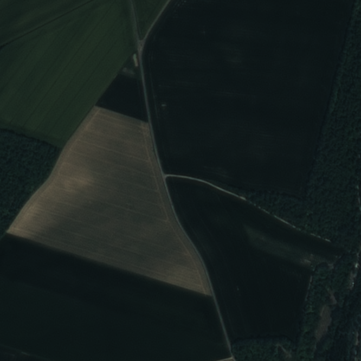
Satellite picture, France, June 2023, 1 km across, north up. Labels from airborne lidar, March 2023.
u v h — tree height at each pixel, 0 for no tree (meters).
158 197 0
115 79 0
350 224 23
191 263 0
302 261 0
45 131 0
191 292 0
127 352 0
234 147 0
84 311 0
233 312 0
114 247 0
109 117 0
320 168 8
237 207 0
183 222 0
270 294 0
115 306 0
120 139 0
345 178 23
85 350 0
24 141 16
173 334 0
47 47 0
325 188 16
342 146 11
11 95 0
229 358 0
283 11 0
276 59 0
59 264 0
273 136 0
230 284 0
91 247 0
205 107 0
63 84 0
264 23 0
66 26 0
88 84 0
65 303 0
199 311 0
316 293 15
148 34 0
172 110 0
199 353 0
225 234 0
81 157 0
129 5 0
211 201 0
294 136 0
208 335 0
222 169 0
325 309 0
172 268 0
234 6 0
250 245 0
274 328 0
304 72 0
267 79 0
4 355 0
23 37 0
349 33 20
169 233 0
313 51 0
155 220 0
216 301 0
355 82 21
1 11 0
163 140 0
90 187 0
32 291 0
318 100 0
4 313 0
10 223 16
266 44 0
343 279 18
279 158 0
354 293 14
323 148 23
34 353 0
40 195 0
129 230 0
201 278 0
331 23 0
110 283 0
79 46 0
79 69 0
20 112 0
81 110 0
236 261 0
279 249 0
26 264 0
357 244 22
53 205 0
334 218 15
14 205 12
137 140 0
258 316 0
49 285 0
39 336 0
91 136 0
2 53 0
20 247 0
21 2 0
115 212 0
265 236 0
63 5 0
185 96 0
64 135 0
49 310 0
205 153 0
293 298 0
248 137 0
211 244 0
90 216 0
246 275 0
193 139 0
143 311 0
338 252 0
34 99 0
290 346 14
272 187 0
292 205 20
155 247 0
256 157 0
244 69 0
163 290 0
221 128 0
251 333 0
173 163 0
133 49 0
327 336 27
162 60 0
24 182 16
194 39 0
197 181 0
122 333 0
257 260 0
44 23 0
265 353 19
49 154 17
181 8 0
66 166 0
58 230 0
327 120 17
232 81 0
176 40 0
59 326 0
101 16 0
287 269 0
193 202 0
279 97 0
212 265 0
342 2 0
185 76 0
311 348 22
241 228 0
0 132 13
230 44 0
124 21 0
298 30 0
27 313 0
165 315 0
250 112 0
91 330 0
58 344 0
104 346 0
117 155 0
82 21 0
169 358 0
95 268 0
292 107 0
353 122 16
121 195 0
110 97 0
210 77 0
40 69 0
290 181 0
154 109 0
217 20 0
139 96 0
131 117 0
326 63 0
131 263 0
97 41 0
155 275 0
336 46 0
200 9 0
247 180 0
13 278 0
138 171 0
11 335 0
